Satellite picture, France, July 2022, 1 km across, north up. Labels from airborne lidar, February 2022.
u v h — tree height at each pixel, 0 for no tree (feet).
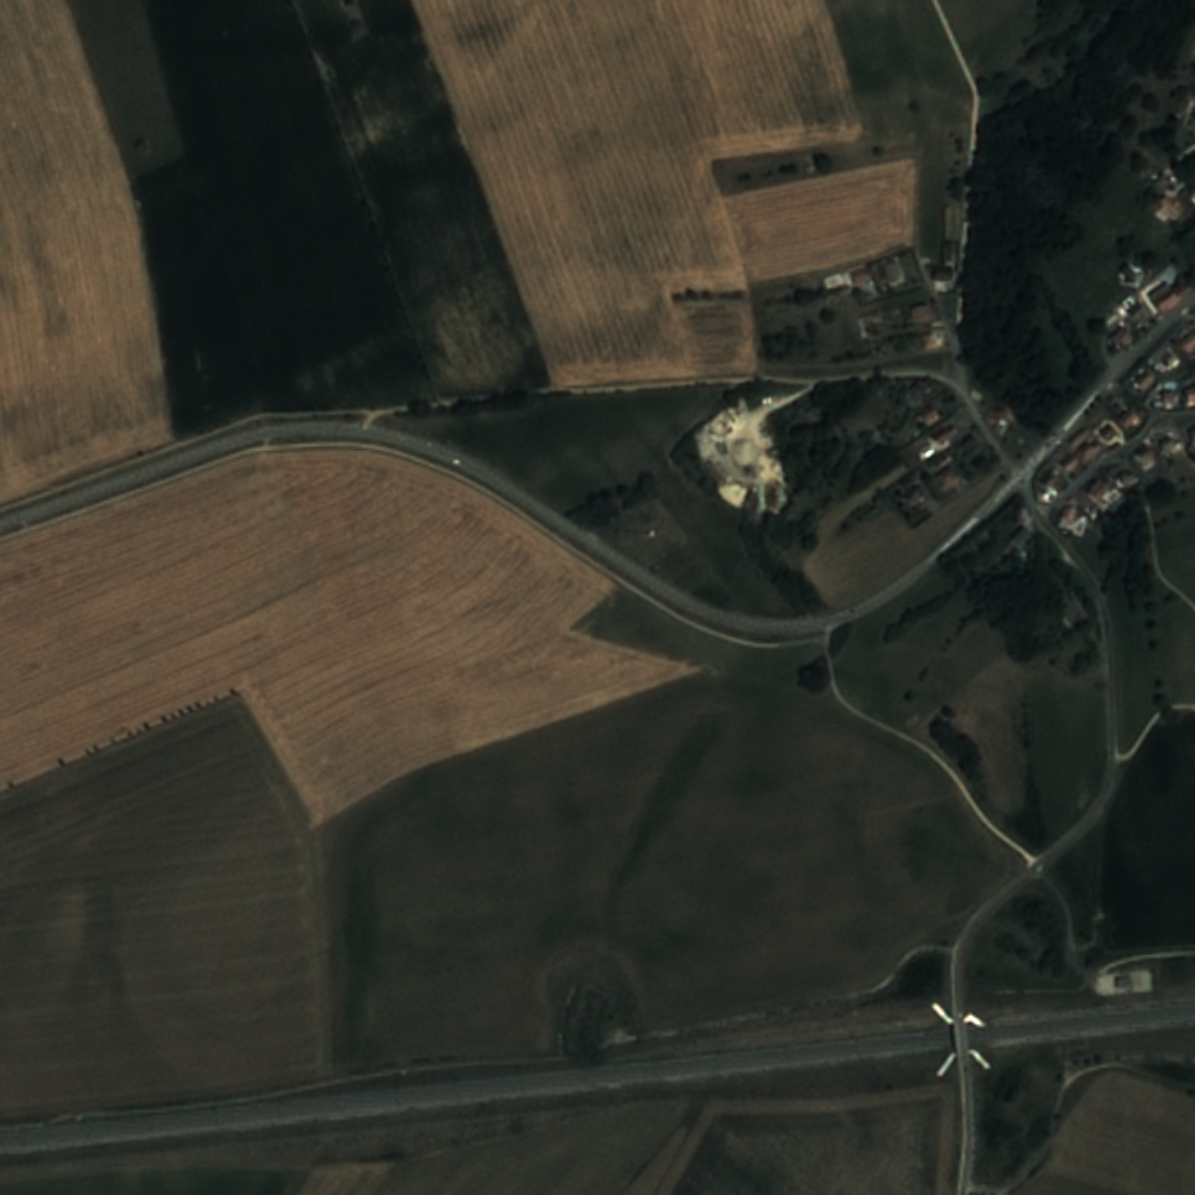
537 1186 0
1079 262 0
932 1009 0
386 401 0
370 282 0
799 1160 0
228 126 0
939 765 0
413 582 0
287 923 0
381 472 0
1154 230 0
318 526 0
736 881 0
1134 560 39
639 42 0
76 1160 0
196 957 0
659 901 0
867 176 0
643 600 0
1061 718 0
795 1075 0
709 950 0
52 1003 0
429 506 0
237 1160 0
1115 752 0
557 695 0
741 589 0
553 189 0
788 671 0
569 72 0
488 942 0
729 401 33
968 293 62
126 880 0
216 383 0
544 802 0
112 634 0
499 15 0
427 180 0
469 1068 0
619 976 0
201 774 0
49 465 0
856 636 0
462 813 0
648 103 0
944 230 0
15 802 0
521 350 0
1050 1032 0
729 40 0
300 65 0
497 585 0
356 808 0
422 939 0
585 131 0
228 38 0
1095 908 0
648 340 0
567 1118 0
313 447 0
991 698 0
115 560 0
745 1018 0
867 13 0
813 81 0
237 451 0
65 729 0
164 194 0
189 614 0
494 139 0
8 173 0
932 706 0
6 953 0
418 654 0
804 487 26
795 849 0
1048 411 68
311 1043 0
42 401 0
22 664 0
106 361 0
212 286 0
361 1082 0
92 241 0
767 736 0
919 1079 0
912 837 0
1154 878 0
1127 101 41
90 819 0
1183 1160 0
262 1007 0
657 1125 0
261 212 0
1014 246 70
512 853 0
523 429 0
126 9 0
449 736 0
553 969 0
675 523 0
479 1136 0
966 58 0
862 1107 0
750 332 0
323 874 0
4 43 0
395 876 0
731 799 0
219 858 0
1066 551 0
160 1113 0
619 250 0
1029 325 18
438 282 0
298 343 0
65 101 0
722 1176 0
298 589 0
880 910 0
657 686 0
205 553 0
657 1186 0
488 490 0
